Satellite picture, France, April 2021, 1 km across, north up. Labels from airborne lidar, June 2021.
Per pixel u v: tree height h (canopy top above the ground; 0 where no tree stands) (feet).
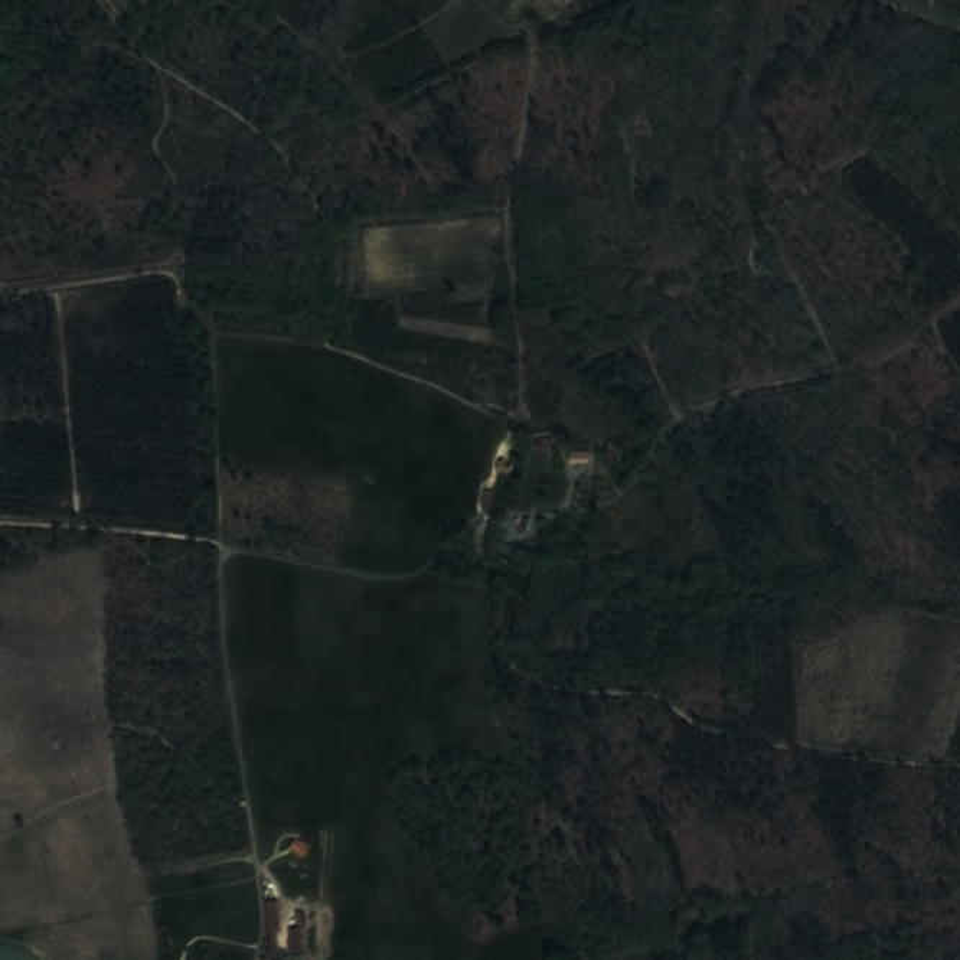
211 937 0
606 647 88
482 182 29
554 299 45
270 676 0
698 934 52
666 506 31
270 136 21
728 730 35
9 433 21
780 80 56
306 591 0
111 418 19
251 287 49
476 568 59
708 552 35
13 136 37
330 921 0
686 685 39
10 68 55
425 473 0
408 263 0
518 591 38
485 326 0
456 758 49
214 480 27
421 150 49
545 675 31
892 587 51
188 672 28
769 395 48
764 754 30
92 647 0
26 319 57
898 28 37
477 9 0
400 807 42
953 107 46
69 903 0
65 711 0
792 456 46
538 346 0
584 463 0
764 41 37
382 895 0
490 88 26
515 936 0
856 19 31
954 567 60
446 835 58
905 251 32
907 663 0
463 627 0
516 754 34
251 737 0
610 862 50
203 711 31
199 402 38
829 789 40
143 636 33
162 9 50
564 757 60
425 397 0
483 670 0
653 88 67
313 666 0
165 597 30
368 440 0
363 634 0
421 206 49
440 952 0
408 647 0
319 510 0
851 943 45
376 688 0
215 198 48
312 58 64
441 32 0
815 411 54
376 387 0
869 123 33
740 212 61
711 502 51
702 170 58
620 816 25
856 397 54
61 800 0
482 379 0
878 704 0
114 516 19
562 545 59
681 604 39
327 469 0
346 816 0
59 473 20
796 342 63
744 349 32
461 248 0
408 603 0
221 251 59
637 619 79
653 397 59
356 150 32
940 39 46
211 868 0
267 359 0
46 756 0
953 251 47
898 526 61
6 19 50
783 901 59
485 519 0
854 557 64
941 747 0
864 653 0
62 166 32
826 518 67
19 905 0
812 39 42
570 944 32
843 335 54
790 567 42
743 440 67
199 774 56
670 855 48
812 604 59
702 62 46
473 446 0
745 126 59
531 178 56
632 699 47
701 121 62
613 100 32
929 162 44
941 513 48
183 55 43
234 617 0
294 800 0
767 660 35
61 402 55
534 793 28
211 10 49
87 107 29
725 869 0
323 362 0
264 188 30
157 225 44
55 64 35
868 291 29
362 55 0
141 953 0
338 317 39
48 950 0
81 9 21
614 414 43
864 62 46
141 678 26
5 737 0
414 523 0
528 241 58
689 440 40
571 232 54
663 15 57
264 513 0
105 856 0
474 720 0
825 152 28
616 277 40
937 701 0
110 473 20
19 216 38
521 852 44
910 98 55
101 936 0
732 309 61
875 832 41
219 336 0
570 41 56
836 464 64
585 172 21
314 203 24
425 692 0
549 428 18
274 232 23
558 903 42
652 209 51
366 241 0
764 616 56
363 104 35
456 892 51
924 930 29
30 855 0
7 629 0
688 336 55
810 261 46
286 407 0
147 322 21
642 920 49
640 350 46
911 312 39
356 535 0
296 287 54
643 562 37
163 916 0
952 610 48
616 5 31
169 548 30
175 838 26
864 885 64
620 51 49
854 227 33
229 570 0
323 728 0
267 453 0
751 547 64
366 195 47
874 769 32
